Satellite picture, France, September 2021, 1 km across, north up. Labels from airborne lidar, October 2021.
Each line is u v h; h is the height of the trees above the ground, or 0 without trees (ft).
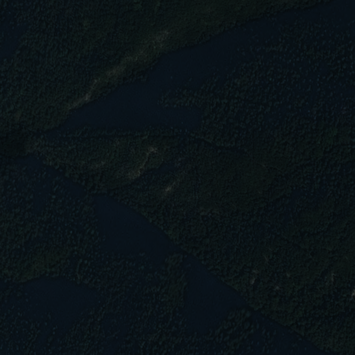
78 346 85
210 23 78
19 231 61
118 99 45
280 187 49
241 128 74
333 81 94
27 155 42
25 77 72
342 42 64
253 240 87
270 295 93
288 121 105
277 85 80
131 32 57
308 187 76
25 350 48
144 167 27
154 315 76
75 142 75
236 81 92
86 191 100
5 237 63
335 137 61
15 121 89
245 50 87
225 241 76
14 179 68
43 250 43
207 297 121
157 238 73
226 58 66
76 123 52
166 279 58
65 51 74
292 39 90
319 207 72
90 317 66
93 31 50
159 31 39
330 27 88
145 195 33
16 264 56
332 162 110
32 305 42
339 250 87
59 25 66
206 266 95
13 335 52
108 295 72
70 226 65
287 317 101
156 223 127
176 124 55
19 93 83
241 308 96
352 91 84
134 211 58
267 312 93
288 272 59
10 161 60
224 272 109
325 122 79
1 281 59
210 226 84
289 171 80
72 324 61
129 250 61
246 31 123
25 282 39
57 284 46
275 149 73
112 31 48
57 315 61
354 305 98
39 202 43
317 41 24
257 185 64
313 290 68
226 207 69
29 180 62
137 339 86
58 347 48
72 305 37
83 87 48
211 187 69
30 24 98
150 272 86
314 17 98
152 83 32
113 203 70
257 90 76
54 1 81
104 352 70
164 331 86
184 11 48
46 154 46
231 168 76
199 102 69
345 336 71
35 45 64
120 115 70
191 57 80
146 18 58
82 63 72
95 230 61
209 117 86
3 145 68
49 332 42
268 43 84
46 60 42
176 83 36
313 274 71
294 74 95
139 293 79
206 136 74
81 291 45
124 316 72
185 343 92
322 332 74
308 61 102
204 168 78
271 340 101
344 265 62
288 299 81
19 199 58
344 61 79
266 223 85
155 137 62
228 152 71
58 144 59
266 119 37
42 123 83
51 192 50
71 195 66
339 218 77
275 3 66
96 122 51
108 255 53
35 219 46
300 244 78
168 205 79
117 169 22
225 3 60
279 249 73
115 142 30
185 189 54
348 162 61
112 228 87
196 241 98
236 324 99
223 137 87
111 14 64
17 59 62
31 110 82
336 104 66
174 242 57
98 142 40
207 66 89
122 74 40
